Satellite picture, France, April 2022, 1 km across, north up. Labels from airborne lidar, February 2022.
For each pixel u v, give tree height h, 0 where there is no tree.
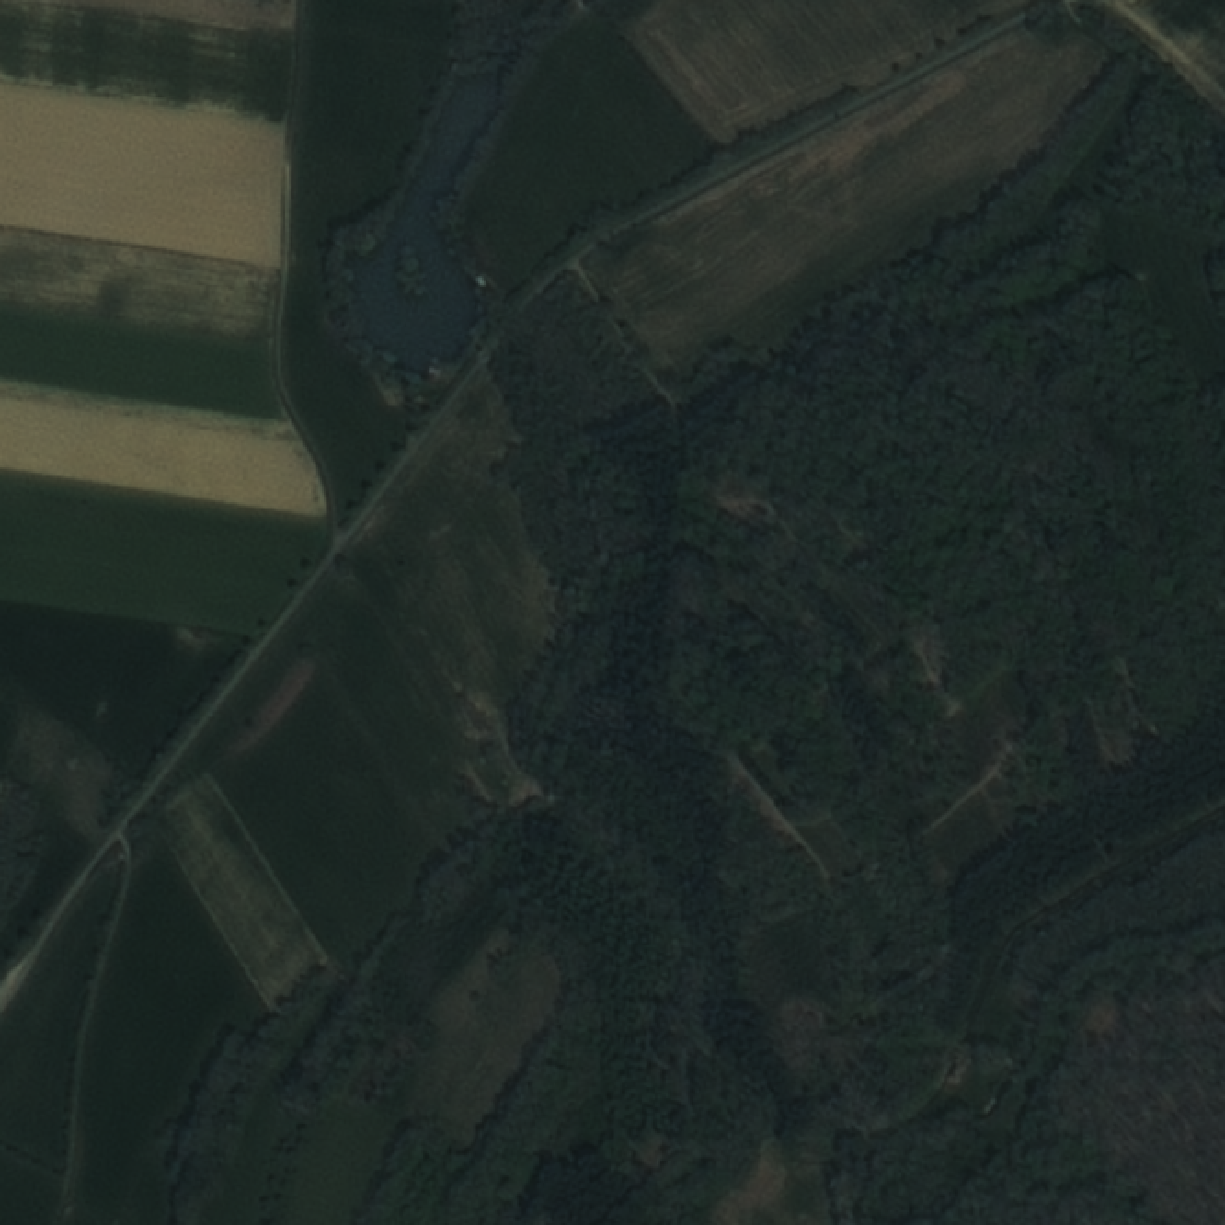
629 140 0
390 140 0
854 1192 21
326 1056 24
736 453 29
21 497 0
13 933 0
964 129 0
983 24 12
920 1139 21
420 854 0
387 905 0
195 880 0
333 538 0
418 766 0
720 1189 20
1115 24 17
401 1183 19
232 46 0
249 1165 0
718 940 20
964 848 0
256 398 0
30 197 0
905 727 19
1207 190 29
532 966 0
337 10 0
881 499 25
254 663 0
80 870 0
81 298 0
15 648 0
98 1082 0
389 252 0
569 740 24
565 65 0
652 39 0
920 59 8
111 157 0
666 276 0
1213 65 0
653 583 23
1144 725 28
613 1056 14
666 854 24
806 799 20
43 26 0
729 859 19
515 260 0
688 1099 17
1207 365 0
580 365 13
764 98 0
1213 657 25
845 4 0
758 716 27
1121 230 0
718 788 14
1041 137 0
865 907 9
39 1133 0
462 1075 0
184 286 0
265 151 0
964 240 24
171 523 0
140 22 0
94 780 0
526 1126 28
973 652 24
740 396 23
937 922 12
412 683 0
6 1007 0
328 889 0
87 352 0
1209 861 22
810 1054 13
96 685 0
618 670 19
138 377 0
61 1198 0
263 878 0
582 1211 32
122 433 0
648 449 28
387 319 0
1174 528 21
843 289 0
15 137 0
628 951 17
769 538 29
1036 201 20
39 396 0
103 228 0
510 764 16
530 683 16
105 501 0
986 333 22
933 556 28
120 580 0
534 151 0
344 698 0
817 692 11
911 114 0
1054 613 24
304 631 0
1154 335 19
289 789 0
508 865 16
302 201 0
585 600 17
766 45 0
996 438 25
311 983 10
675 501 23
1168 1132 25
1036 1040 14
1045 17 15
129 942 0
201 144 0
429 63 0
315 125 0
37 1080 0
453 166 0
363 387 0
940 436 25
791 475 21
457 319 0
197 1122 17
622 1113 12
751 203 0
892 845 16
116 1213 0
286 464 0
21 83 0
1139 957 20
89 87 0
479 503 0
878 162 0
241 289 0
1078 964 23
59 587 0
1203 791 28
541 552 24
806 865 13
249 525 0
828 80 0
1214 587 29
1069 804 25
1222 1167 28
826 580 27
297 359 0
